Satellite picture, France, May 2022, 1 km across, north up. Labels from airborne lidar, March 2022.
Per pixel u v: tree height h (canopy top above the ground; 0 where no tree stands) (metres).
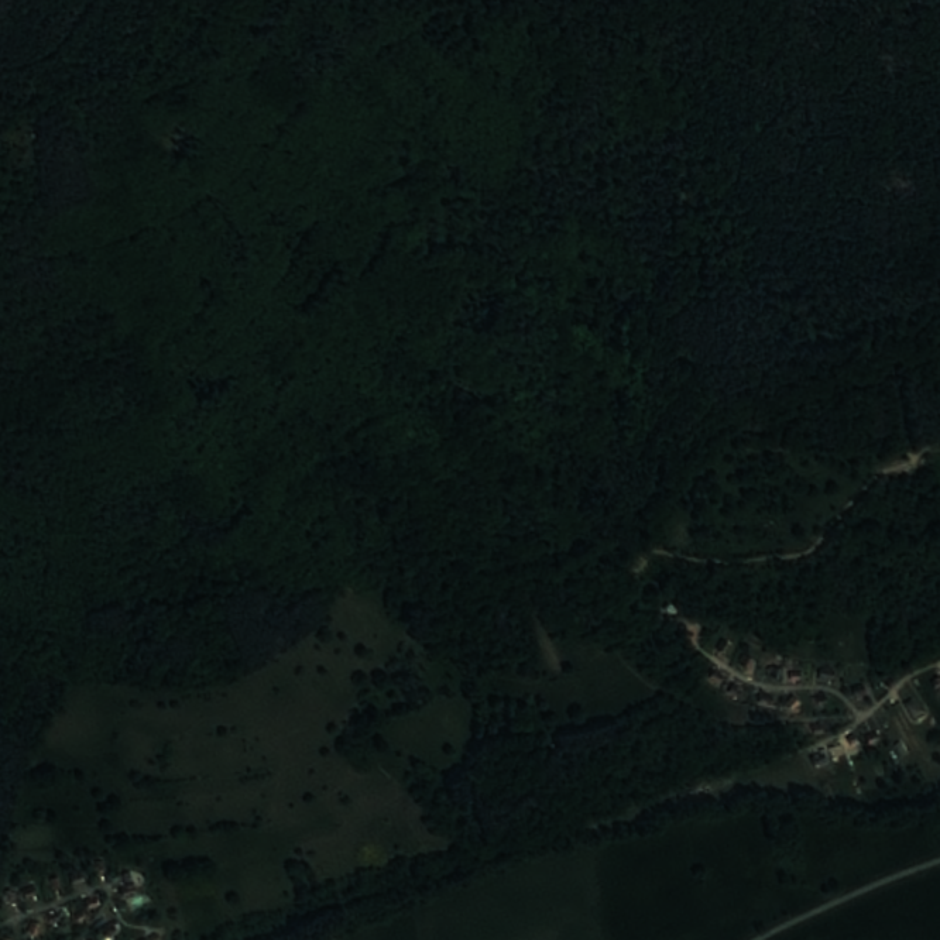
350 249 27
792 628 10
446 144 29
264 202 25
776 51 21
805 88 20
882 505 12
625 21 27
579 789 13
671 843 0
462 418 28
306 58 23
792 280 21
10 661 16
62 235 17
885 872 0
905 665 14
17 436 18
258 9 17
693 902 0
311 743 0
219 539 22
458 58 20
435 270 29
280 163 26
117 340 16
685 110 13
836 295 31
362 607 0
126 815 0
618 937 0
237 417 19
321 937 27
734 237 21
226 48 17
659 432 22
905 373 27
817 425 26
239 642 22
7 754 24
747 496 20
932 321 25
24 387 19
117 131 21
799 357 31
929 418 28
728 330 23
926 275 28
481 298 7
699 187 26
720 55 23
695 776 19
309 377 24
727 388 27
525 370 27
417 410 20
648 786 16
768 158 16
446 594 20
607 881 0
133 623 24
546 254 28
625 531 25
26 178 7
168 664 19
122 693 0
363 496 27
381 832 0
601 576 19
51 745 0
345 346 26
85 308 23
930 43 20
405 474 27
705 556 7
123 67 17
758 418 13
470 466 32
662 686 10
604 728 19
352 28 30
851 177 20
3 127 8
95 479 18
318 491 25
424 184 32
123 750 0
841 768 0
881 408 20
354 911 24
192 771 0
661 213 16
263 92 28
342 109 25
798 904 0
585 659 0
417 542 24
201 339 19
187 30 10
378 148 29
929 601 19
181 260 21
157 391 24
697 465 22
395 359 25
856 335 25
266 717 0
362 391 20
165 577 21
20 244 17
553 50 33
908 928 0
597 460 22
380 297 29
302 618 24
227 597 25
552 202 28
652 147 24
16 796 12
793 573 14
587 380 19
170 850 0
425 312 27
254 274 23
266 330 24
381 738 11
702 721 13
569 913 0
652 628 14
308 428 25
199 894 0
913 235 20
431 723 0
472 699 17
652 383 24
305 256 14
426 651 21
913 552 9
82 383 19
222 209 24
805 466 13
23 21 11
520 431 18
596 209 30
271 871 0
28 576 18
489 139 27
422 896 22
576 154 28
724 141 13
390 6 22
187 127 24
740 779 0
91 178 17
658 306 23
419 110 27
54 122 15
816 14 20
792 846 9
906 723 0
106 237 16
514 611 17
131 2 10
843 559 11
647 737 12
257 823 6
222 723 0
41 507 16
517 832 17
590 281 26
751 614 8
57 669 20
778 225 18
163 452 17
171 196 23
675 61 23
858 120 14
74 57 13
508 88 29
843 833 0
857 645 0
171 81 16
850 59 23
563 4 29
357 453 25
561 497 31
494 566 16
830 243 20
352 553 26
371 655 9
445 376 22
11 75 11
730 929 0
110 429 28
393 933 0
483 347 27
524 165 27
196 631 23
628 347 23
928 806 24
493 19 32
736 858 0
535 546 29
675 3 26
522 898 0
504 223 24
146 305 23
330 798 0
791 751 18
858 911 0
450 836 11
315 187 24
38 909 0
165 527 19
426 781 21
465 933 0
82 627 21
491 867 24
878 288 30
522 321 25
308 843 0
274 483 21
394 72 23
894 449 13
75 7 11
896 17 20
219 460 20
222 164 23
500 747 24
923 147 21
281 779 0
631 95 25
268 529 23
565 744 21
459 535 19
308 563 22
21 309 17
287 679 0
